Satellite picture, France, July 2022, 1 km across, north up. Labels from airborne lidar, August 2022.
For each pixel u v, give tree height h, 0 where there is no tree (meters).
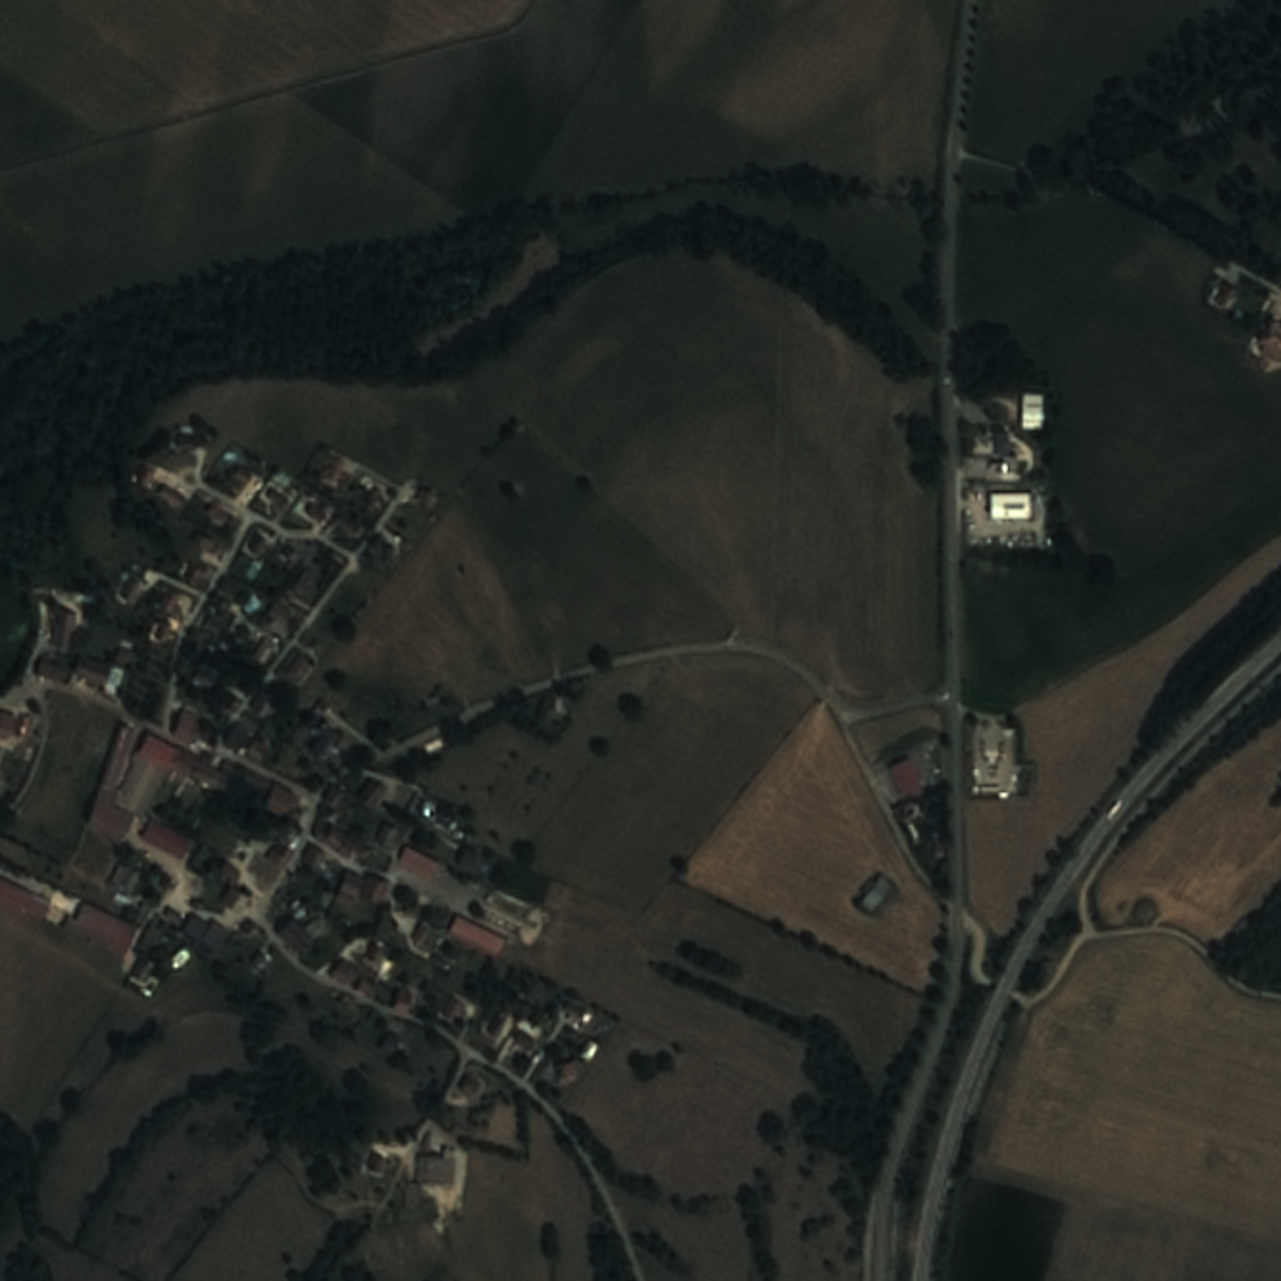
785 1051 0
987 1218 0
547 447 0
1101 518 0
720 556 0
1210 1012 0
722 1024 0
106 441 13
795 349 0
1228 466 0
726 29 0
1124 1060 0
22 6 0
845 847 0
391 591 0
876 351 13
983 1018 0
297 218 0
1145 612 0
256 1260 0
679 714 0
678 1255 9
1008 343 23
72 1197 0
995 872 0
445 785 0
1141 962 0
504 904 0
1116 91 15
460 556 0
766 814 0
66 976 0
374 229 0
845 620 0
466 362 15
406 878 0
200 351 25
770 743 0
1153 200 17
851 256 0
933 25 0
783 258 24
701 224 21
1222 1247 0
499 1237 0
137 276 0
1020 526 0
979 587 0
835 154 0
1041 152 15
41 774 0
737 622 0
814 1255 0
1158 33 0
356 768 16
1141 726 0
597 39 0
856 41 0
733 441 0
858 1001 0
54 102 0
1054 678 0
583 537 0
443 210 0
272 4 0
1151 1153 0
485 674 0
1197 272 0
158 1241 0
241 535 0
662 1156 0
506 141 0
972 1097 0
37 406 19
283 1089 14
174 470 0
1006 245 0
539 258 0
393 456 0
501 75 0
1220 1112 0
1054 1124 0
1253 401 0
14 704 0
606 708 0
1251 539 0
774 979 0
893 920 0
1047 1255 0
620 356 0
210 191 0
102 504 0
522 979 7
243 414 0
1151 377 0
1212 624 0
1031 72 0
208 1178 0
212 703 6
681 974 10
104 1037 0
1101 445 0
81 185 0
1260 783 0
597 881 0
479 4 0
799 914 0
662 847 0
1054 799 0
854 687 0
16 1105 0
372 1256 0
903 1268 0
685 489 0
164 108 0
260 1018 7
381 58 0
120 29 0
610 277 0
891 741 0
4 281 0
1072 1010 0
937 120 0
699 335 0
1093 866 0
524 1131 8
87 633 15
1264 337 0
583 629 0
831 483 0
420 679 0
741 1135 0
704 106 0
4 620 0
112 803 0
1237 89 23
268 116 0
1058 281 0
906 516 0
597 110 0
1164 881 0
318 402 0
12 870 11
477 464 0
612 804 0
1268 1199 0
